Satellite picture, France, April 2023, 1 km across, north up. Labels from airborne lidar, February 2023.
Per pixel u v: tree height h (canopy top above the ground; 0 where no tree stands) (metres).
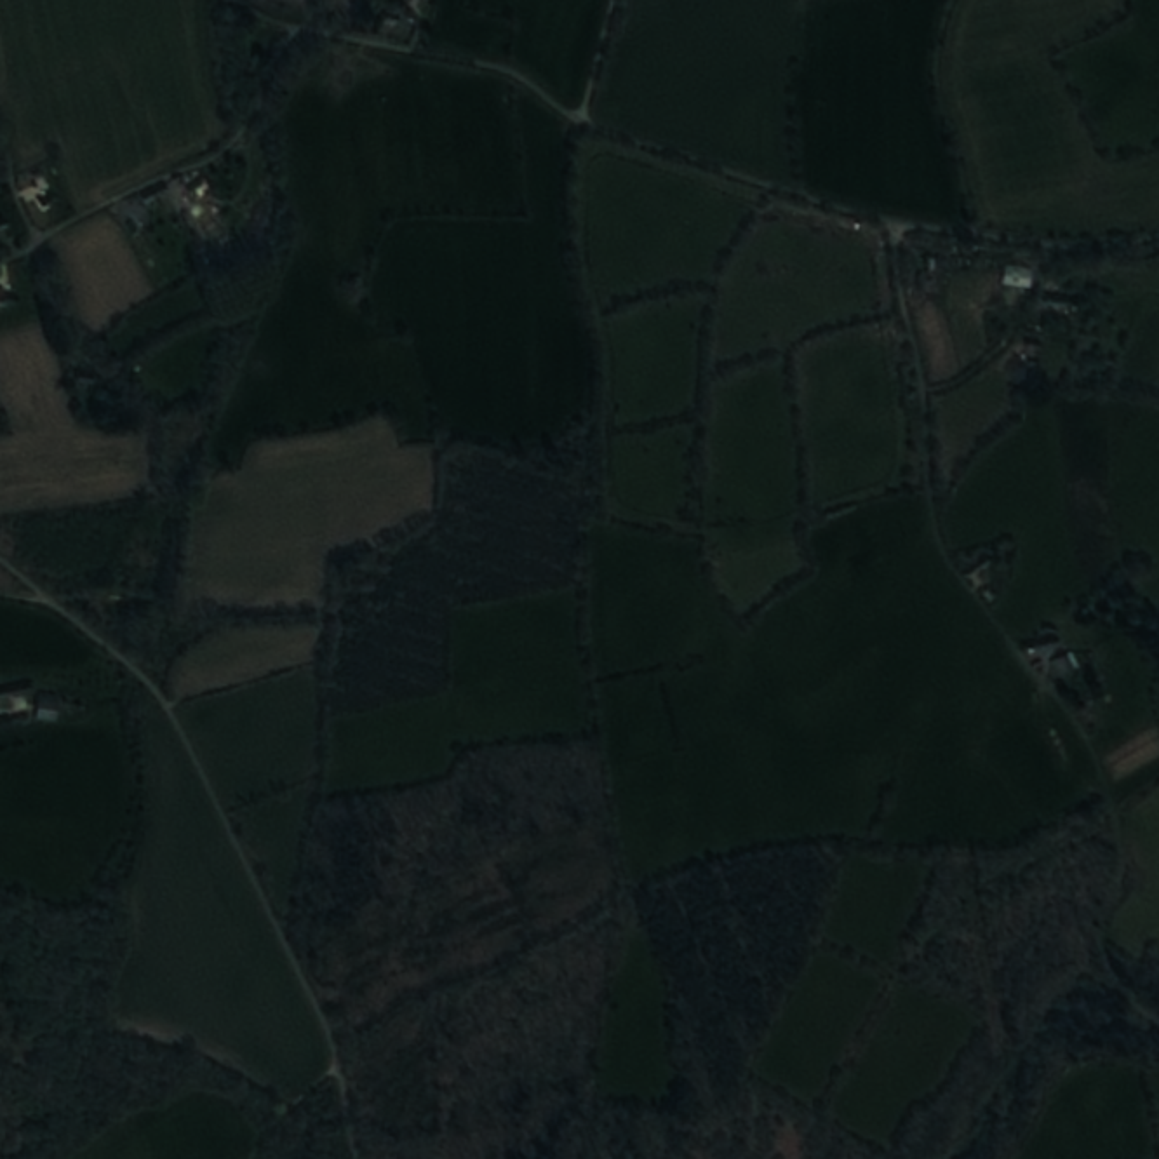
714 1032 15
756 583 0
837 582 0
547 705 0
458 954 0
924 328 0
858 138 0
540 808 13
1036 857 8
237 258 19
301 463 0
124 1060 10
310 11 16
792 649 0
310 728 0
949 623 0
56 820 0
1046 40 0
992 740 0
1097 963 18
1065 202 0
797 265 0
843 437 0
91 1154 0
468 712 0
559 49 0
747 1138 8
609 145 8
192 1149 0
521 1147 15
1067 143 0
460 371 0
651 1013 0
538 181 0
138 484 0
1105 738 0
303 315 0
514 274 0
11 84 0
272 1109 16
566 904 0
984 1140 9
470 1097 9
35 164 0
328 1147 7
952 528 0
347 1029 10
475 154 0
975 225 6
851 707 0
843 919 0
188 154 0
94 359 17
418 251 0
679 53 0
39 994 10
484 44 0
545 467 10
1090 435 0
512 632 0
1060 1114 0
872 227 9
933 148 0
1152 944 7
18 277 0
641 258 0
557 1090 6
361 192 0
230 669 0
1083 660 0
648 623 0
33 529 7
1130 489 0
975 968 9
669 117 0
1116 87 0
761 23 0
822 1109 13
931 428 10
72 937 12
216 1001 0
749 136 0
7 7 0
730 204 0
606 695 0
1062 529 0
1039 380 20
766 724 0
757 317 0
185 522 12
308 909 12
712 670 0
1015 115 0
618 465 0
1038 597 0
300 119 0
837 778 0
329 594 10
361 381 0
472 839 10
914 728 0
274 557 0
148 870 0
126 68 0
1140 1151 0
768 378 0
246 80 12
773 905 12
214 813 0
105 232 0
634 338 0
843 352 0
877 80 0
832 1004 0
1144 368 0
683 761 0
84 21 0
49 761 0
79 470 0
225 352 14
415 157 0
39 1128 7
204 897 0
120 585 7
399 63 0
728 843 0
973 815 0
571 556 15
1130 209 0
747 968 15
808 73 0
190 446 0
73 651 0
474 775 8
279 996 0
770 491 0
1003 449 0
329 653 14
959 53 0
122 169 0
